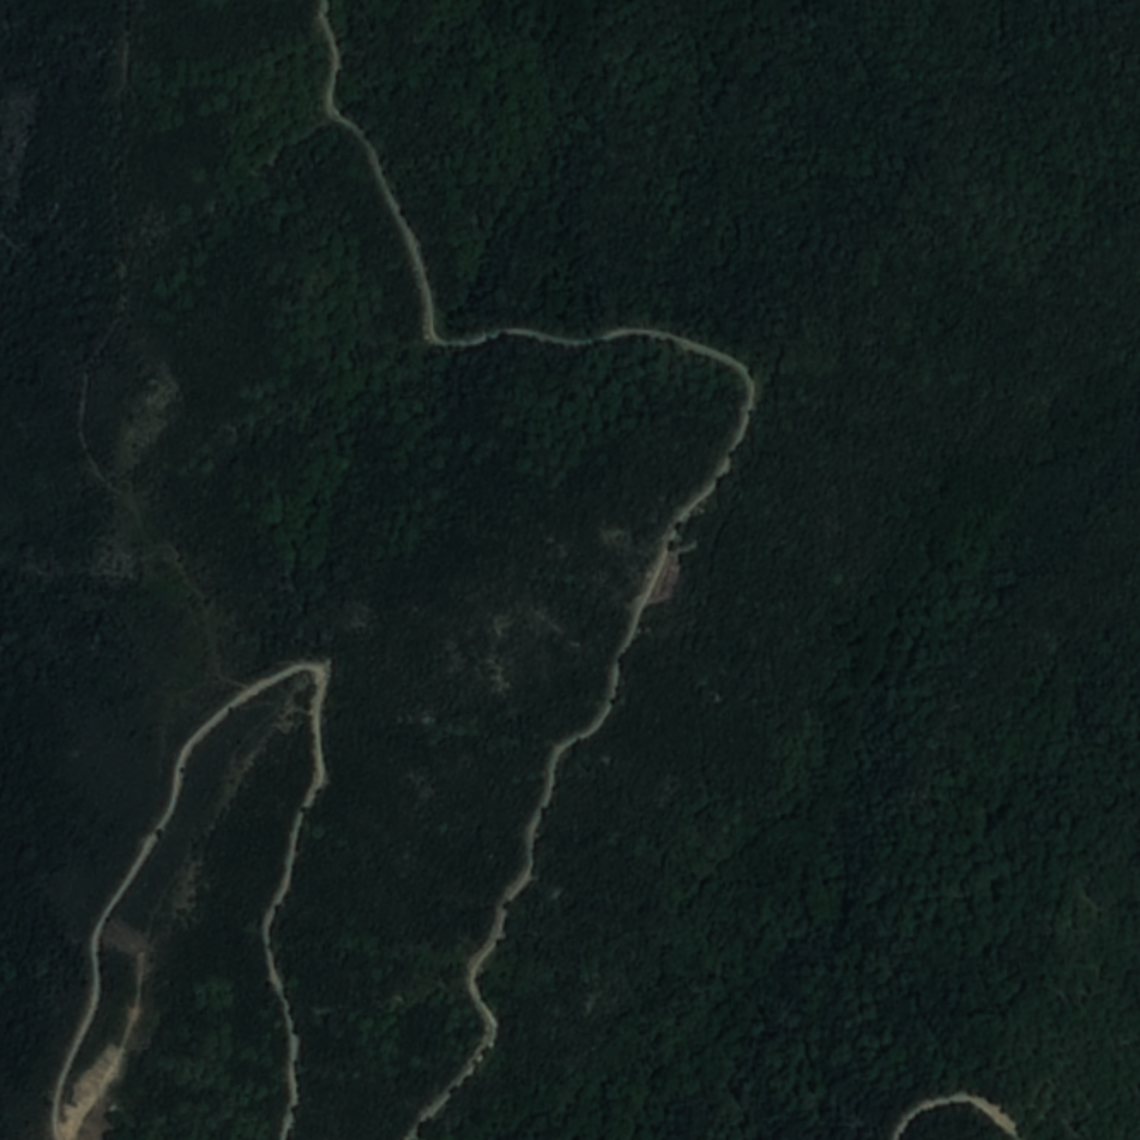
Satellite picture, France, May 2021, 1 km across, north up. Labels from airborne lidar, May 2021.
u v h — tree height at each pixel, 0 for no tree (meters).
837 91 11
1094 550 14
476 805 9
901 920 17
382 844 9
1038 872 20
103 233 7
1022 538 10
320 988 12
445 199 12
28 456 6
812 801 11
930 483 16
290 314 11
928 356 8
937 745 7
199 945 7
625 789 10
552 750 9
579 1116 18
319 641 7
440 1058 10
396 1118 11
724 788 10
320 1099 8
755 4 17
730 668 6
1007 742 16
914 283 12
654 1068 9
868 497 10
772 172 13
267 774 7
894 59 11
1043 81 8
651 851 10
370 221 8
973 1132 11
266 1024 7
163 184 7
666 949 15
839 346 10
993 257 8
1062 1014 19
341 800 7
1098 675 15
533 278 10
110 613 8
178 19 6
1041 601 12
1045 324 10
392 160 12
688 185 11
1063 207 14
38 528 10
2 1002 11
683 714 11
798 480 13
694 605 10
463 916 11
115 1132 8
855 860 13
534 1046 8
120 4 8
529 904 12
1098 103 11
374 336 6
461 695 9
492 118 11
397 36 16
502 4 12
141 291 10
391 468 13
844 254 11
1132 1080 16
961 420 10
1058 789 15
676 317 9
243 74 10
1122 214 12
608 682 8
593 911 12
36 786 9
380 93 19
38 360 7
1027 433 13
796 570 11
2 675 8
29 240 8
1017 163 9
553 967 11
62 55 6
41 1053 8
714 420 8
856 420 13
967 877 15
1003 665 13
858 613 15
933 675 10
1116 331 15
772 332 10
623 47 13
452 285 10
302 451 15
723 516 8
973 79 13
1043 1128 17
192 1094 10
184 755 0
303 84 14
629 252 11
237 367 10
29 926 6
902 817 13
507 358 11
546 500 8
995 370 10
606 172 8
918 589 14
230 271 8
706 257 11
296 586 8
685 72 14
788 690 13
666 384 9
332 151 12
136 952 0
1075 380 9
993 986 17
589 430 14
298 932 11
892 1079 11
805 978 11
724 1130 13
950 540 18
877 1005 7
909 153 10
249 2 7
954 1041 16
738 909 13
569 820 7
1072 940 16
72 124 8
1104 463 8
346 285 19
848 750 19
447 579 7
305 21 9
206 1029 11
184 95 8
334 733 9
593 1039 9
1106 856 17
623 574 8
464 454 9
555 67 11
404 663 6
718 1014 20
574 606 8
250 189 14
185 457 7
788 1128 13
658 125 9
